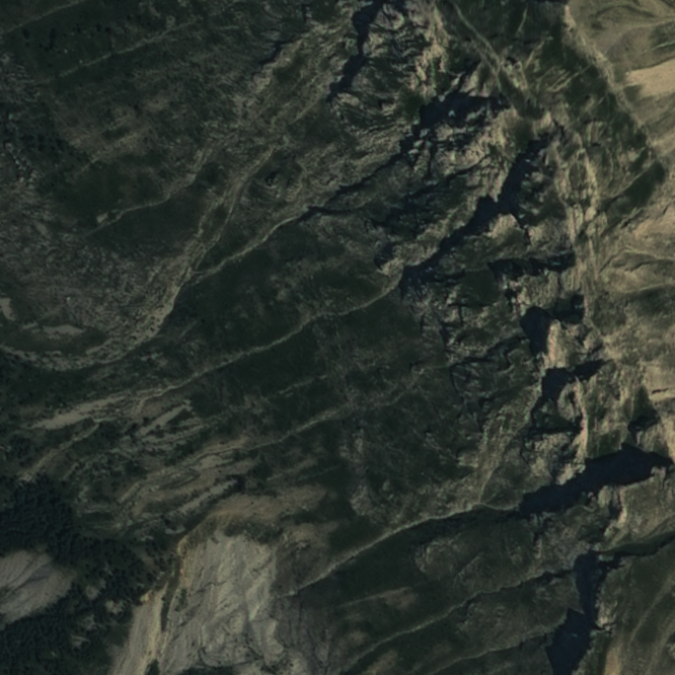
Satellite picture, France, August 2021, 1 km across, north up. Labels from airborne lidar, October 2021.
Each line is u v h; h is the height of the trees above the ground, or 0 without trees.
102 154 0
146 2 0
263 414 0
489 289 0
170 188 0
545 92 0
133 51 0
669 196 0
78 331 0
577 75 0
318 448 0
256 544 0
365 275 0
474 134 0
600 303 0
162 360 0
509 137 0
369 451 0
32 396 10
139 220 0
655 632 0
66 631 12
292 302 0
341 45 0
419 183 0
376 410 0
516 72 0
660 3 0
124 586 10
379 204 0
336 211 0
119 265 0
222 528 0
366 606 0
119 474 0
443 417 0
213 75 0
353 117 0
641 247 0
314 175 0
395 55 0
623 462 0
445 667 0
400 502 0
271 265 0
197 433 0
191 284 0
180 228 0
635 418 0
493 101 0
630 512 0
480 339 0
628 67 0
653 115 0
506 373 0
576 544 0
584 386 0
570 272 0
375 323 0
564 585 0
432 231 0
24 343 0
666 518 0
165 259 0
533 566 0
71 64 0
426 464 0
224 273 0
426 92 0
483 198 0
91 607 12
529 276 0
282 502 0
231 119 0
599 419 0
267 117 0
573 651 0
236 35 0
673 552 0
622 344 0
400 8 0
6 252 0
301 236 0
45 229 0
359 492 0
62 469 0
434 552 0
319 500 0
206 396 0
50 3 0
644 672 0
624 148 0
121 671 0
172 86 0
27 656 10
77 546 18
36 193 0
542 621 0
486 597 0
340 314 0
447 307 0
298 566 0
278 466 0
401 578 0
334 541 0
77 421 0
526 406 0
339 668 0
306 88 0
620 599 0
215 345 0
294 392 0
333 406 0
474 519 0
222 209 0
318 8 0
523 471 0
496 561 0
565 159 0
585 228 0
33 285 0
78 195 0
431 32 0
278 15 0
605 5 0
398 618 0
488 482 0
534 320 0
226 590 0
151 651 0
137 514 0
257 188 0
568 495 0
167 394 0
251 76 0
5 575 0
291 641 0
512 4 0
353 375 0
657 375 0
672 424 0
